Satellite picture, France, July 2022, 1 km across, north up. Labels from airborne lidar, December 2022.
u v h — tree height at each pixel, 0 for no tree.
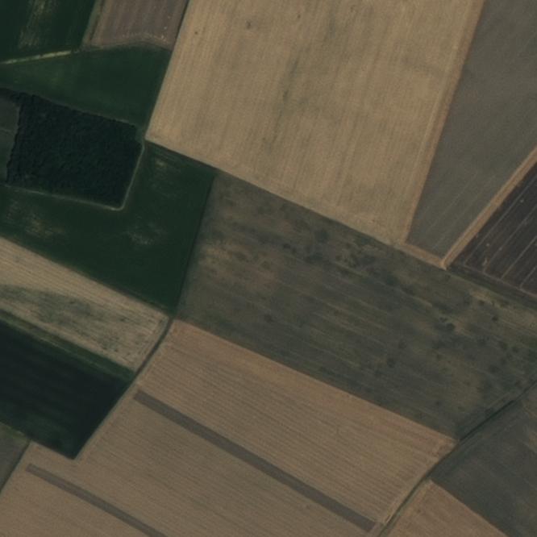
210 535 0
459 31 0
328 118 0
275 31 0
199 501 0
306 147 0
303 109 0
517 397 0
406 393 0
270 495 0
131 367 0
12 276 0
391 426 0
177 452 0
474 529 0
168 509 0
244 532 0
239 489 0
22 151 19
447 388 0
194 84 0
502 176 0
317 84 0
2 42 0
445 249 0
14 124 0
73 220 0
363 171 0
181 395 0
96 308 0
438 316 0
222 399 0
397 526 0
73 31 0
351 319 0
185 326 0
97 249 0
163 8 0
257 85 0
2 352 0
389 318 0
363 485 0
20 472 0
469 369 0
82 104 0
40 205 0
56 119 22
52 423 0
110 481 0
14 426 0
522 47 0
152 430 0
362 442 0
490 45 0
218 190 0
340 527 0
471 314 0
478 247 0
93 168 16
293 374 0
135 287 0
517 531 0
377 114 0
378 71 0
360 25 0
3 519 0
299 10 0
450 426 0
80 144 16
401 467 0
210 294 0
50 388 0
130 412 0
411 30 0
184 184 0
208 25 0
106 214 0
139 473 0
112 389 0
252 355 0
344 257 0
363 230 0
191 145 0
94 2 0
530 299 0
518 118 0
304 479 0
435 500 0
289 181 0
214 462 0
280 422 0
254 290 0
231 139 0
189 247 0
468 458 0
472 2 0
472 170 0
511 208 0
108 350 0
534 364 0
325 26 0
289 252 0
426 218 0
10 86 0
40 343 0
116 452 0
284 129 0
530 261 0
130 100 0
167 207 0
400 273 0
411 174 0
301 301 0
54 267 0
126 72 0
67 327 0
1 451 0
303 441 0
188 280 0
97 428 0
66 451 0
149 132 0
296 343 0
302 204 0
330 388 0
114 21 0
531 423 0
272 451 0
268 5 0
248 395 0
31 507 0
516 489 0
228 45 0
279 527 0
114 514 0
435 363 0
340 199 0
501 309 0
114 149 15
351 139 0
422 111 0
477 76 0
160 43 0
